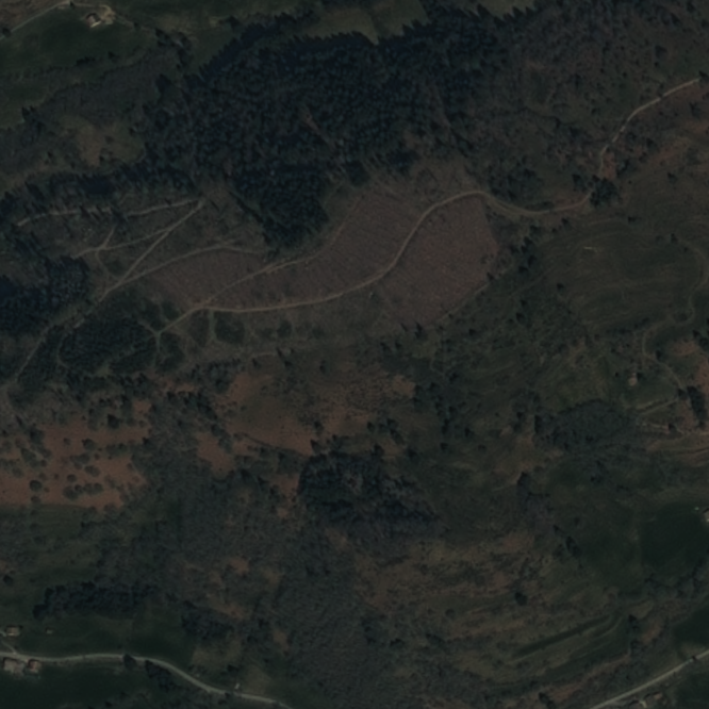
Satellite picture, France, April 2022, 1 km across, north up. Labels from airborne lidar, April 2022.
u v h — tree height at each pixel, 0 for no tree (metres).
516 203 19
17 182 0
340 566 15
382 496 17
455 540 0
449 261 0
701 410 22
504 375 0
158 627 0
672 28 14
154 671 23
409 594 0
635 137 9
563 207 0
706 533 0
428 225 0
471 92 22
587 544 0
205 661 0
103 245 0
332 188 23
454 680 18
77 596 23
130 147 0
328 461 21
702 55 0
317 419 0
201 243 0
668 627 7
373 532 26
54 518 0
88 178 0
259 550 9
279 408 0
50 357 6
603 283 0
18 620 0
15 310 30
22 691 0
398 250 0
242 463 15
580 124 0
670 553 0
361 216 0
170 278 0
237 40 0
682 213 0
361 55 33
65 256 0
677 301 0
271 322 0
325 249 0
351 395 0
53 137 13
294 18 12
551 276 0
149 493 24
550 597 0
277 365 0
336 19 0
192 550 24
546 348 0
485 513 0
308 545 26
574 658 0
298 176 22
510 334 0
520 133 8
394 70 32
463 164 0
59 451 0
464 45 19
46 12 0
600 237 0
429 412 0
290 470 6
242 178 7
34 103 0
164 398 11
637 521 0
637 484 0
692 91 0
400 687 12
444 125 12
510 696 14
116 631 0
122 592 27
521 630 0
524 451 0
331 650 7
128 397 6
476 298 0
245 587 19
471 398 0
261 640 22
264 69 23
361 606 13
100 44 0
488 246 0
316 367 0
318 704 0
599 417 20
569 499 0
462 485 0
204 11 0
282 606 17
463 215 0
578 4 9
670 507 0
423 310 0
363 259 0
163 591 21
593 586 0
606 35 12
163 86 0
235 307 0
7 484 0
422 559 0
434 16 18
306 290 0
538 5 0
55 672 0
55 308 19
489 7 0
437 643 23
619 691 17
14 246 19
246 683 0
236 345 0
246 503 7
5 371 11
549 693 7
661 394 0
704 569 18
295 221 24
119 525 18
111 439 0
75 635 0
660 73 0
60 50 0
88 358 9
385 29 0
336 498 33
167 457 22
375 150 18
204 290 0
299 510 6
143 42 0
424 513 6
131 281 0
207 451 0
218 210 0
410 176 23
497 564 0
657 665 0
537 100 0
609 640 0
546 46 10
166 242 0
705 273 0
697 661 13
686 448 0
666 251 0
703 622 0
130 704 20
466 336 10
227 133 26
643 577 0
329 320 0
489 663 0
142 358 6
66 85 11
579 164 10
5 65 0
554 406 0
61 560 0
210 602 19
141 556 28
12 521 7
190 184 22
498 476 0
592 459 20
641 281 0
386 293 0
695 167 0
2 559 9
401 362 0
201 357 0
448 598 0
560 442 26
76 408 18
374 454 7
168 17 0
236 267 0
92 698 0
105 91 14
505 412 0
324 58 34
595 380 0
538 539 0
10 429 0
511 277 0
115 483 15
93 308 29
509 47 6
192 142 20
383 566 0
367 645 7
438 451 0
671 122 0
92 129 0
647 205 0
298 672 24
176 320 0
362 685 6
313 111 14
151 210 0
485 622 0
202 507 19
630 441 14
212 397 7
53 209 8
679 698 0
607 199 11
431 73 16
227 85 29
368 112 25
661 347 9
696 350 0
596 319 0
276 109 24
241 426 0
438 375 0
